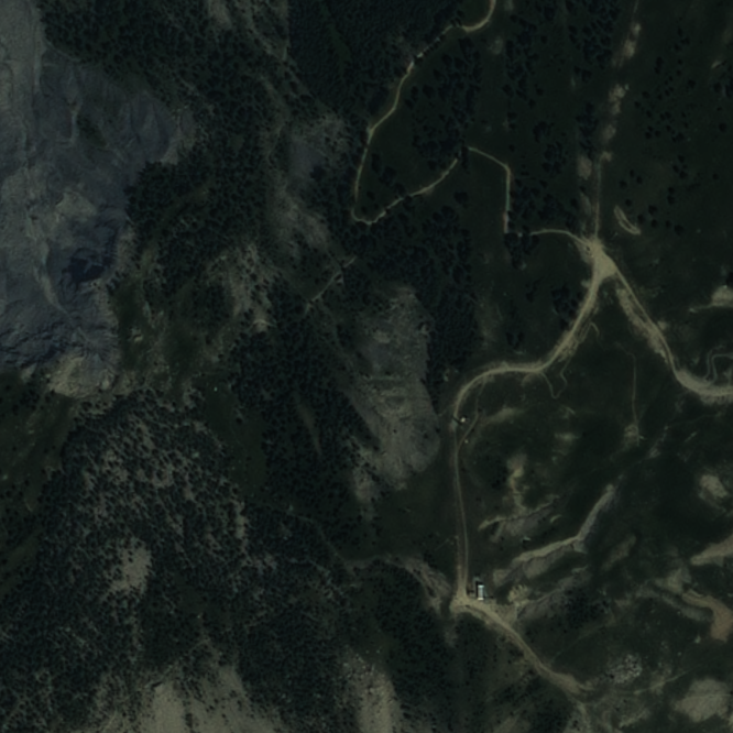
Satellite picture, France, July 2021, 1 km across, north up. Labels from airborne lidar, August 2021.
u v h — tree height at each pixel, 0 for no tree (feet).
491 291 0
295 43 41
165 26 60
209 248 46
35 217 0
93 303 0
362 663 0
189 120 0
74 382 0
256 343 29
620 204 0
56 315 0
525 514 0
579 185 0
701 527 0
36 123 0
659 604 0
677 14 0
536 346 0
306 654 26
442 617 0
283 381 42
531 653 0
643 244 0
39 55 0
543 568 0
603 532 0
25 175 0
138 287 0
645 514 0
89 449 23
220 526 31
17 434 0
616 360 0
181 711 0
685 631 0
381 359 0
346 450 29
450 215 66
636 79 0
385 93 44
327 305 26
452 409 0
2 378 0
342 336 47
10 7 0
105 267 0
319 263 21
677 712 0
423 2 78
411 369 0
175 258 41
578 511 0
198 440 34
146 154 0
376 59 70
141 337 0
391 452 0
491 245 0
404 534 0
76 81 0
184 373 0
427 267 58
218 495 39
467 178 0
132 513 24
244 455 0
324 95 71
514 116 48
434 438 0
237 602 28
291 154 0
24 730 36
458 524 0
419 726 0
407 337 0
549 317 0
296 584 29
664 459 0
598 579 0
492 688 0
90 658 36
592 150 38
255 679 32
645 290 0
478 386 0
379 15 78
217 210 47
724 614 0
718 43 0
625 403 0
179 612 28
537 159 0
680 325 0
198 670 27
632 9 0
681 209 0
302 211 0
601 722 0
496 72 0
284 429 34
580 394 0
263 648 21
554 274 0
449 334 36
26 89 0
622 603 0
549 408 0
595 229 0
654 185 0
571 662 0
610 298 0
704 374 0
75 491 37
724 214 0
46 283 0
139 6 57
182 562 33
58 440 0
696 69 0
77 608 51
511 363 0
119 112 0
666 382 0
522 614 0
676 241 0
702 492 0
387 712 0
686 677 0
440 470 0
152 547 26
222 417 0
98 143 0
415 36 61
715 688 0
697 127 0
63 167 0
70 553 33
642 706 0
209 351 0
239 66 44
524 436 0
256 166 54
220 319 31
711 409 0
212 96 51
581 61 0
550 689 0
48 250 0
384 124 0
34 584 32
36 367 0
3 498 33
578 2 38
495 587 0
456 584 0
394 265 70
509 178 0
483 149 0
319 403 24
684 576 0
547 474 0
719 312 0
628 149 0
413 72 0
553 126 24
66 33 33
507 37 0
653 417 0
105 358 0
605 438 0
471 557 0
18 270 0
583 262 0
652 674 0
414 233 68
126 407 32
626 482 0
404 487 0
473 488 0
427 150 66
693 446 0
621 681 0
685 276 0
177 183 24
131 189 36
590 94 0
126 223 0
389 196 0
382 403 0
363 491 0
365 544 0
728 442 0
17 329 0
